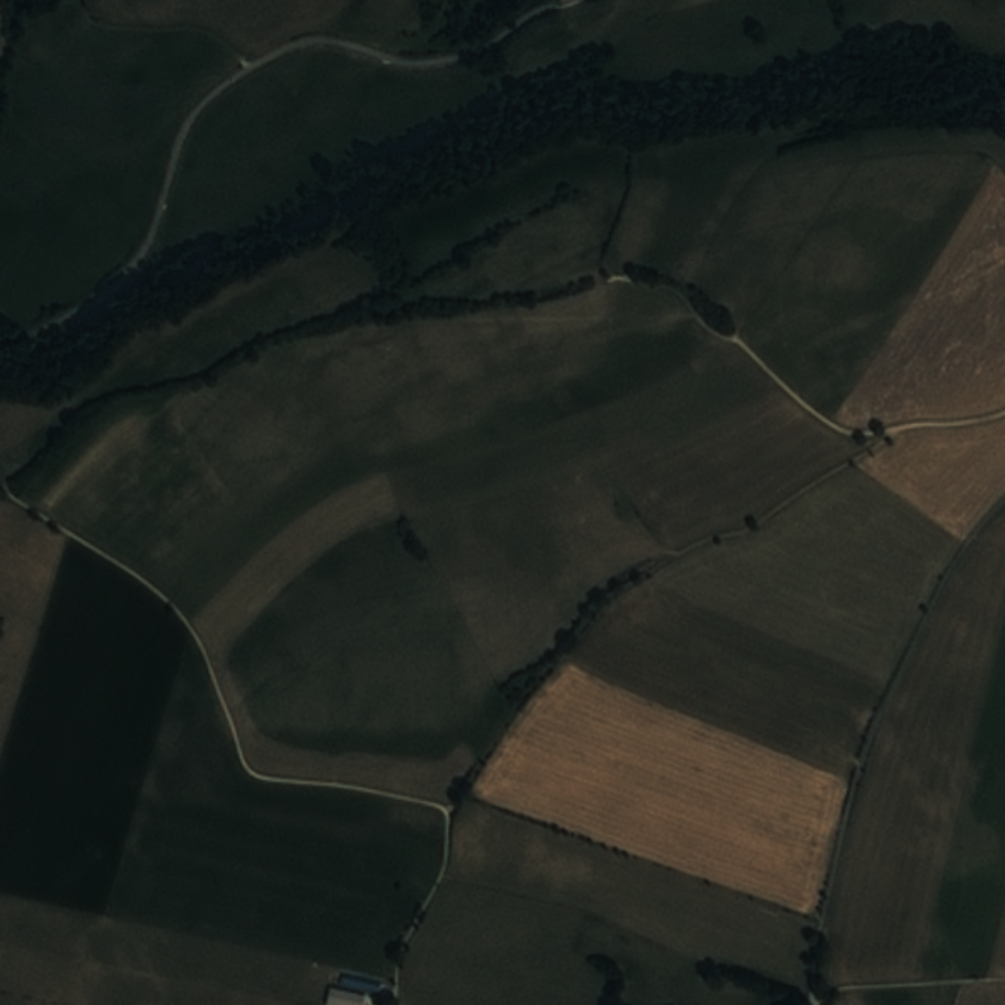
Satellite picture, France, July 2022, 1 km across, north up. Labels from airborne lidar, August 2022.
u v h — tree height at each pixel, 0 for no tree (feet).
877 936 0
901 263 0
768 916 0
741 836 0
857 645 0
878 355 0
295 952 0
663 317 0
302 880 0
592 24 0
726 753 0
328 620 0
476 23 41
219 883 0
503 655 0
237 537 0
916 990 0
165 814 0
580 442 0
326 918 0
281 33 0
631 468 0
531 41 0
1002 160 0
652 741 0
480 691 0
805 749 0
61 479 0
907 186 0
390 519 0
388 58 0
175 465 0
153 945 0
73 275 0
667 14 0
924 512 0
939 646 0
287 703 0
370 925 0
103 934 0
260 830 0
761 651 0
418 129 0
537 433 0
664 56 0
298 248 61
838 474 0
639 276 47
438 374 0
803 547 0
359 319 58
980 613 0
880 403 0
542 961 0
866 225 0
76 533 0
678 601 0
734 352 0
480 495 0
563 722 0
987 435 0
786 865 0
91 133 0
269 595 0
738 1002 0
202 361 0
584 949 0
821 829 0
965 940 0
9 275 0
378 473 0
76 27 0
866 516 0
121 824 0
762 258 0
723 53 0
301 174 0
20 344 73
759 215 0
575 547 0
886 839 0
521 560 0
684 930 0
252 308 0
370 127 0
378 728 0
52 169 0
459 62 30
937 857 0
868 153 0
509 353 0
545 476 0
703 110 88
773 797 0
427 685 0
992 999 0
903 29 48
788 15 0
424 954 0
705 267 0
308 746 0
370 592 0
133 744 0
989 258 0
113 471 0
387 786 0
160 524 0
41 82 0
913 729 0
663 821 0
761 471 0
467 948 0
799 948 0
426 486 0
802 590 0
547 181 0
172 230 0
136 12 0
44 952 0
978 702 0
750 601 0
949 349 0
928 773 0
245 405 0
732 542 0
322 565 0
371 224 102
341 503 0
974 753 0
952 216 0
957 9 0
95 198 0
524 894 0
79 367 77
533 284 0
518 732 0
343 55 0
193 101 0
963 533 0
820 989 64
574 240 0
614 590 44
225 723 0
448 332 0
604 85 32
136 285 72
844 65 74
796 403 0
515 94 71
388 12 0
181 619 0
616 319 0
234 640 0
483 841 0
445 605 0
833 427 0
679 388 0
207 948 0
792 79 34
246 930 0
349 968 0
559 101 72
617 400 0
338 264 0
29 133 0
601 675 0
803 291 0
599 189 0
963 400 0
